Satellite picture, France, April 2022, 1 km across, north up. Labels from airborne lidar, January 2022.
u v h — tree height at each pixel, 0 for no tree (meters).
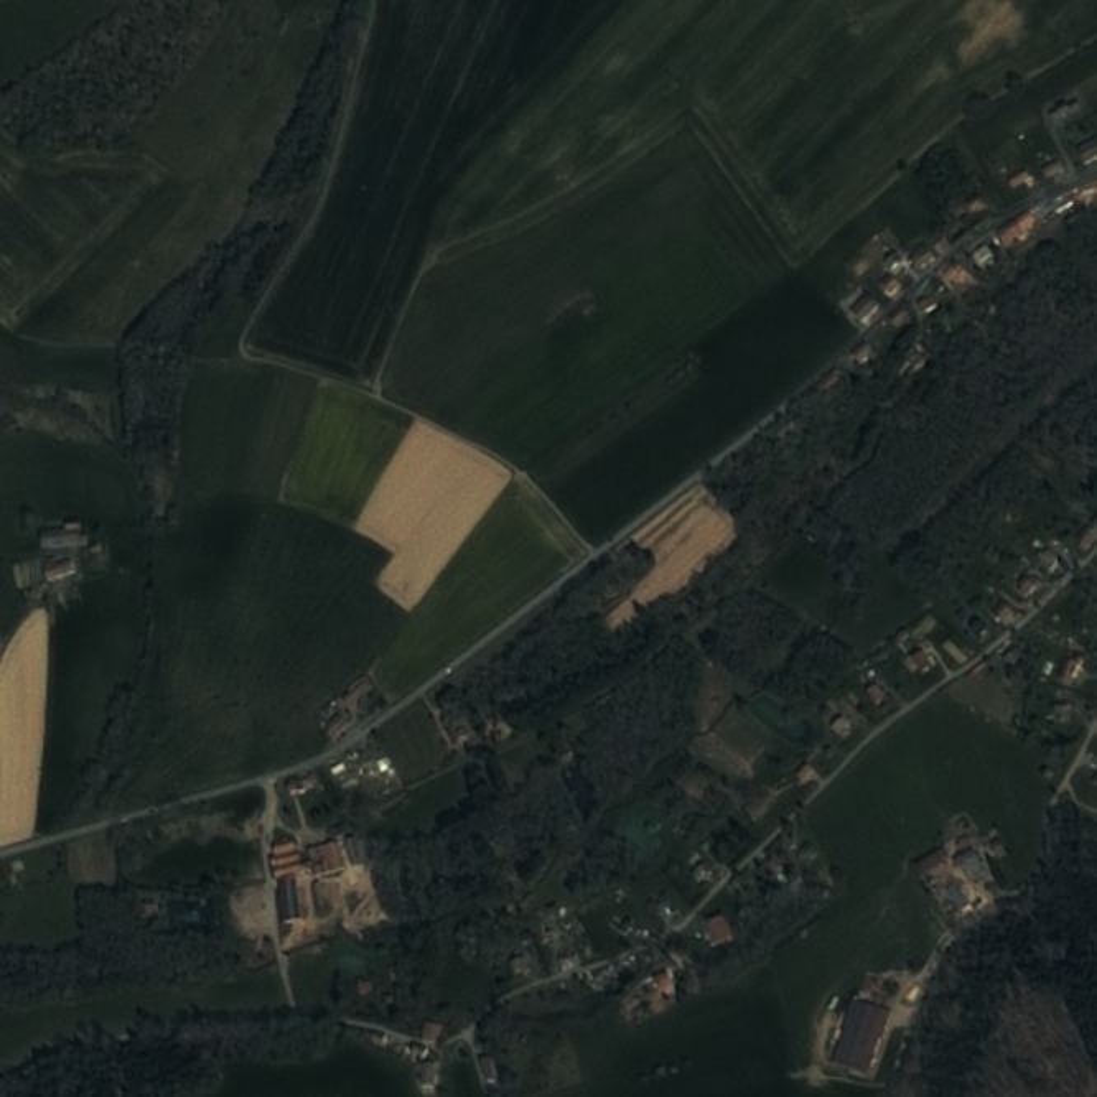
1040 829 0
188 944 15
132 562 0
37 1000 14
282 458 0
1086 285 14
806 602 0
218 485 0
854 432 9
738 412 0
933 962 0
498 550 0
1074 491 0
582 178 0
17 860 0
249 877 19
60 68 16
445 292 0
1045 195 0
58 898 0
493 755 8
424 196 0
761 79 0
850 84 0
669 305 0
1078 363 15
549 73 0
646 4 0
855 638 0
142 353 11
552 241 0
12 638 0
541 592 0
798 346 0
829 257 0
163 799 0
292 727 0
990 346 15
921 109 0
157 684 0
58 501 0
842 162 0
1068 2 0
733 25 0
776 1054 0
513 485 0
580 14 0
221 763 0
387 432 0
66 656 0
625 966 13
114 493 0
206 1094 22
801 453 13
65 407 11
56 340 0
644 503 0
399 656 0
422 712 0
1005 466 13
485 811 27
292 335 0
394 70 0
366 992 8
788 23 0
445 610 0
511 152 0
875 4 0
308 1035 26
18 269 0
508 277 0
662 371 0
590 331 0
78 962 19
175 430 17
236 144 0
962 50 0
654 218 0
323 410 0
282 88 0
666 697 22
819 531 20
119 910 22
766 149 0
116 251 0
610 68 0
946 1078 8
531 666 12
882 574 0
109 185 0
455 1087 0
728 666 12
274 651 0
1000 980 22
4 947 0
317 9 0
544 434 0
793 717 16
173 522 10
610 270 0
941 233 10
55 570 0
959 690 0
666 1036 0
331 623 0
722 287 0
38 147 25
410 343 0
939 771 0
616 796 13
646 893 0
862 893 0
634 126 0
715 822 13
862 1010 0
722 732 0
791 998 0
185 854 0
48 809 0
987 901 0
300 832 0
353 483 0
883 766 0
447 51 0
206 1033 26
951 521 14
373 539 0
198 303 19
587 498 0
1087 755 0
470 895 26
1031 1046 24
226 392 0
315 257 0
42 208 0
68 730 0
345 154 0
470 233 0
